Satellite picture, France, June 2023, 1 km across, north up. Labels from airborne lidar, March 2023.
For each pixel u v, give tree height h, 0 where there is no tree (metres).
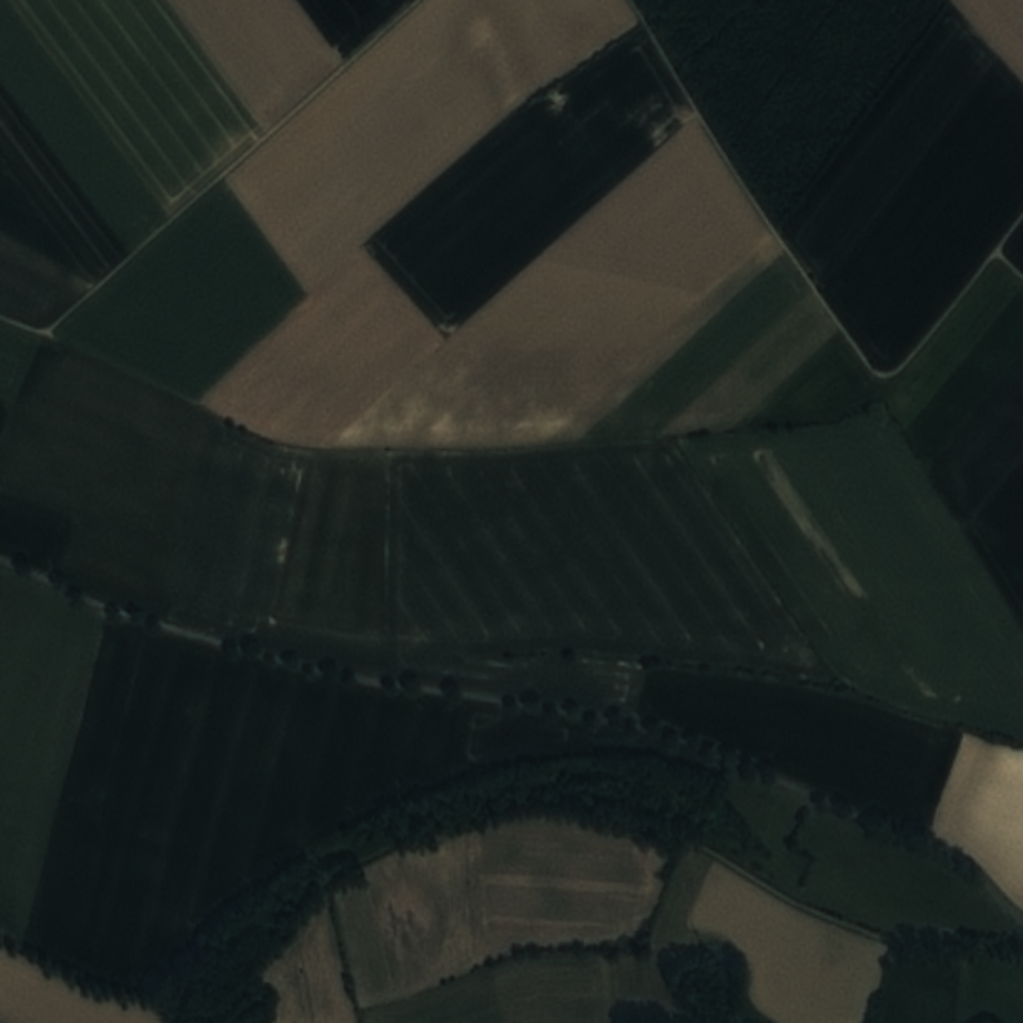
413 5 0
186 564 0
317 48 0
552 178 0
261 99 0
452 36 0
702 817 20
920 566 0
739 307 0
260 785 0
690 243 0
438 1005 0
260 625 0
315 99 0
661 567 0
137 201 0
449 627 0
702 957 23
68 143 0
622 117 0
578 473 0
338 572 0
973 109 0
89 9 0
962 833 0
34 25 0
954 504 0
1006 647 0
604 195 0
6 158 0
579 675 0
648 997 0
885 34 7
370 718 0
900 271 0
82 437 0
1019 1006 0
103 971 0
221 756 0
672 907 0
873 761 0
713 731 0
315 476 0
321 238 0
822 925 0
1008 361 0
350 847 0
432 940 0
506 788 21
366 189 0
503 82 0
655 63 0
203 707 0
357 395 0
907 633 0
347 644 0
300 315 0
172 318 0
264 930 38
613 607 0
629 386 0
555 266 0
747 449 0
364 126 0
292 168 0
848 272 0
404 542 0
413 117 0
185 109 0
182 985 22
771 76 9
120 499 0
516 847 0
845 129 11
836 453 0
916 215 0
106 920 0
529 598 0
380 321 0
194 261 0
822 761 0
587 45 0
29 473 0
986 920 0
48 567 0
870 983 0
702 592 0
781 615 0
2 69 0
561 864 0
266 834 0
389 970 0
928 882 0
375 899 0
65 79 0
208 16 0
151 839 0
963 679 0
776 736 0
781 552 0
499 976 0
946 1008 0
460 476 0
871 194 0
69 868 0
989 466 0
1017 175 0
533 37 0
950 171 0
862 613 0
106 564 0
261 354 0
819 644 0
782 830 0
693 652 0
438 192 0
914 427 0
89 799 0
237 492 0
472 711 0
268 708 0
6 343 0
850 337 0
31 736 0
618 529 0
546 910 0
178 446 0
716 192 0
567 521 0
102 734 0
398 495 0
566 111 0
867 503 0
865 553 0
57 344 0
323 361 0
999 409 0
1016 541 0
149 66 0
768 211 8
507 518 0
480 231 0
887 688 0
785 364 0
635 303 0
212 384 0
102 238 0
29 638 0
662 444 0
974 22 0
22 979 0
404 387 0
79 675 0
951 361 0
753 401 0
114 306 0
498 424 0
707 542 0
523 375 0
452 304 0
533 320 0
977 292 0
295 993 0
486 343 0
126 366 0
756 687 0
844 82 6
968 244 0
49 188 0
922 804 0
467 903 0
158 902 0
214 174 0
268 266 0
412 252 0
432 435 0
